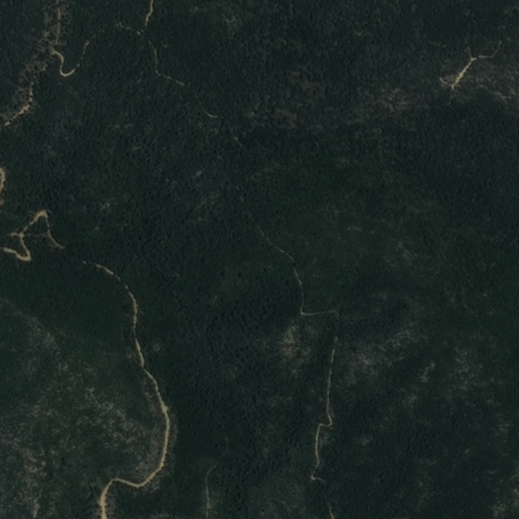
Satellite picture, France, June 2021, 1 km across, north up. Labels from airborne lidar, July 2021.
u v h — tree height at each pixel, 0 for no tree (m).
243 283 6
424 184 7
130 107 9
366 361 0
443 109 7
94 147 11
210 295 6
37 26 5
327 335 7
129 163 9
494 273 7
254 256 8
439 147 8
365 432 6
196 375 7
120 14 8
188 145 10
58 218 6
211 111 9
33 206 16
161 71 8
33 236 9
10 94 7
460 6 10
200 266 7
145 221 14
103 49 11
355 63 12
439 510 6
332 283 6
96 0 9
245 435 7
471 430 6
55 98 8
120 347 6
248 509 7
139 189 10
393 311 7
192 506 7
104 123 9
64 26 7
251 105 9
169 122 7
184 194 10
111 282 8
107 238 6
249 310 14
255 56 7
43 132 9
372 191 10
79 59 7
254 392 6
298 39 9
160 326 13
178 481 7
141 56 10
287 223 6
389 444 6
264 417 8
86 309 6
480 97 7
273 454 8
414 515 6
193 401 9
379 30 10
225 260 6
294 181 6
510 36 7
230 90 7
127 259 12
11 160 12
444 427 6
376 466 7
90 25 9
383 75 7
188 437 6
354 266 6
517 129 9
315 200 6
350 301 6
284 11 9
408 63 8
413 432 9
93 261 11
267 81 9
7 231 7
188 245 8
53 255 11
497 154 8
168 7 6
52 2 9
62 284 7
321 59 9
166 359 8
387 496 8
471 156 6
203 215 9
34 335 0
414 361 7
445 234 8
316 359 7
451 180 10
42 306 7
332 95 10
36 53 9
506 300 5
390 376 8
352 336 12
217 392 11
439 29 6
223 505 6
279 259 8
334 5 9
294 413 8
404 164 7
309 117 9
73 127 11
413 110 8
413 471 6
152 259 7
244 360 14
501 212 9
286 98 11
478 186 7
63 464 11
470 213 8
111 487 5
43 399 0
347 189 7
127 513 6
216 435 7
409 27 6
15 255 12
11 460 0
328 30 8
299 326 6
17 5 8
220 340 14
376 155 7
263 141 10
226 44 7
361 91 7
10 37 7
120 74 12
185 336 15
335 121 7
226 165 11
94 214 8
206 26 6
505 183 11
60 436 6
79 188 10
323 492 8
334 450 10
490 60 6
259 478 8
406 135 11
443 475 7
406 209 10
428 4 7
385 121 7
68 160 13
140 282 9
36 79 16
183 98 6
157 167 10
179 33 7
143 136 10
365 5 8
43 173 8
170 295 15
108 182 9
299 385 7
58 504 14
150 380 6
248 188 11
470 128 9
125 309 16
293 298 8
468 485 6
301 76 9
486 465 6
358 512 9
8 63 7
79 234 5
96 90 7
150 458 0
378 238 7
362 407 10
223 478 8
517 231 7
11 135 8
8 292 6
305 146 6
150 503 7
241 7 7
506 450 6
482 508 6
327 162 7
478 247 7
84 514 13
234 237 9
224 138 7
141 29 6
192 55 8
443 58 7
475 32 6
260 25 7
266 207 7
